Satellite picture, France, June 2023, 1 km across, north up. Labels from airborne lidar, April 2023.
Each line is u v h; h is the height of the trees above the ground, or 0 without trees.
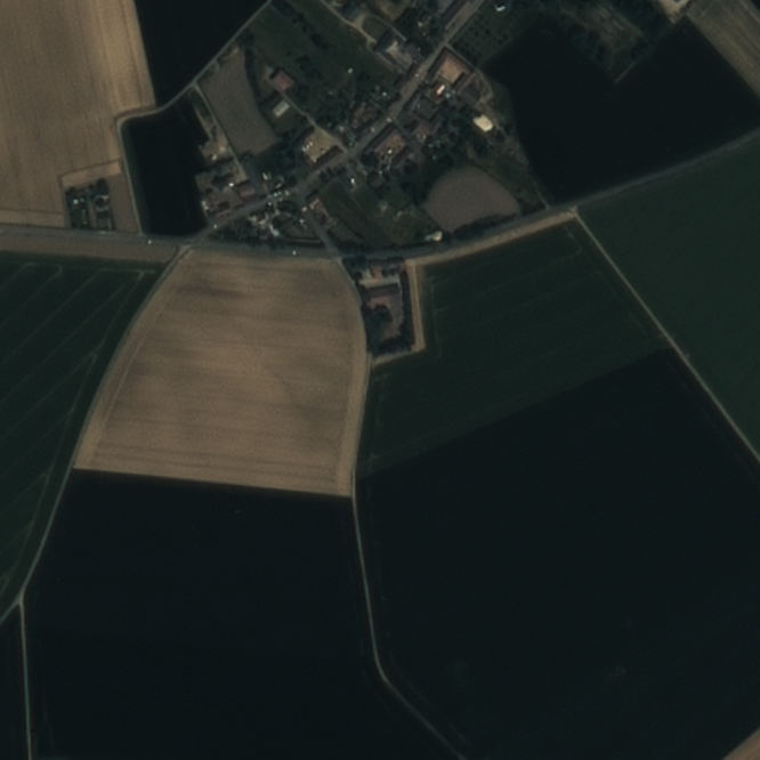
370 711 0
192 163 0
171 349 0
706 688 0
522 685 0
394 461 0
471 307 0
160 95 0
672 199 0
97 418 0
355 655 0
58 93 0
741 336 0
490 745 0
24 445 0
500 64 0
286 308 0
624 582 0
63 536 0
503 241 0
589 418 0
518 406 0
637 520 0
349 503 0
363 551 0
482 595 0
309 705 0
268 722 0
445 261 0
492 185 0
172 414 0
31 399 0
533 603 0
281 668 0
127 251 0
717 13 0
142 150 0
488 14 0
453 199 0
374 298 0
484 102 0
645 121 0
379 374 0
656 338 0
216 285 0
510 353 0
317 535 0
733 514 0
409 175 10
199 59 0
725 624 0
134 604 0
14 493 0
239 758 0
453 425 0
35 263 0
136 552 0
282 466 0
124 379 0
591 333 0
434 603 0
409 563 0
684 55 0
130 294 0
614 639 0
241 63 0
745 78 0
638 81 0
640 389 0
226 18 0
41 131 0
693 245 0
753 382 0
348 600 0
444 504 0
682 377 0
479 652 0
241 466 0
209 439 0
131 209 0
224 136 0
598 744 0
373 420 0
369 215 0
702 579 0
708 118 0
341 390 0
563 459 0
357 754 0
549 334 0
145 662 0
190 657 0
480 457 0
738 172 0
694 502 0
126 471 0
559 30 0
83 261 0
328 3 0
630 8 16
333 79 0
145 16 0
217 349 0
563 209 0
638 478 0
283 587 0
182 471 0
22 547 0
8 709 0
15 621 0
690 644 0
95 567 0
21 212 0
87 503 0
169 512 0
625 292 0
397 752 0
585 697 0
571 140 0
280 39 0
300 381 0
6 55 0
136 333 0
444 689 0
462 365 0
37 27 0
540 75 0
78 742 0
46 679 0
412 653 0
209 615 0
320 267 0
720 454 0
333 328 0
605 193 0
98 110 0
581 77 0
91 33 0
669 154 0
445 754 0
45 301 0
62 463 0
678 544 0
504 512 0
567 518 0
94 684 0
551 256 0
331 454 0
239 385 0
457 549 0
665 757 0
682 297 0
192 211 0
